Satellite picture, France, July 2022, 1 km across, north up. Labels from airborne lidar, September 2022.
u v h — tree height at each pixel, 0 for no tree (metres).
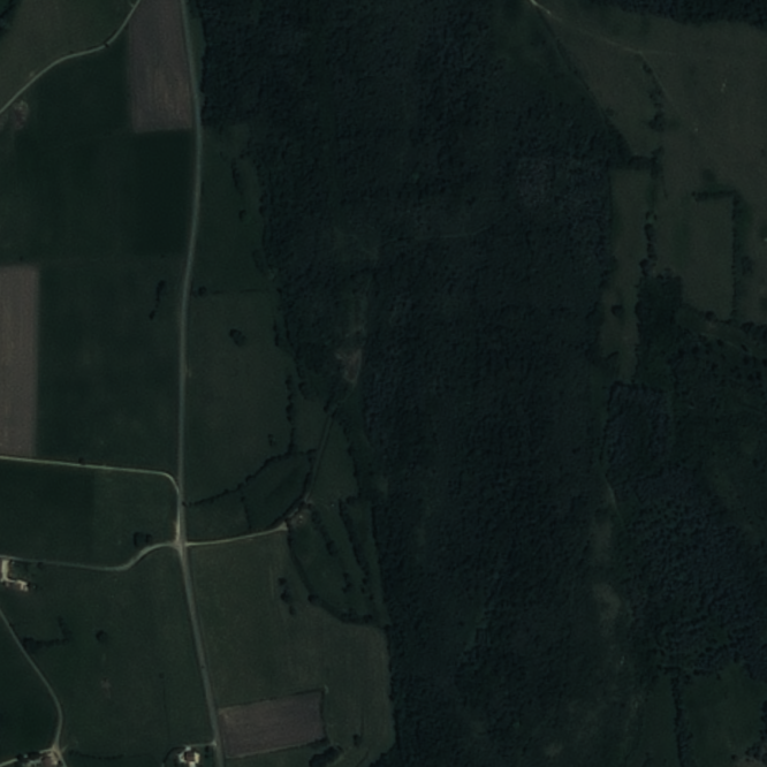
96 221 0
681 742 14
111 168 0
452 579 7
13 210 0
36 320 0
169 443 0
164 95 0
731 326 14
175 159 0
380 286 11
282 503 0
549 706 9
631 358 0
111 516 0
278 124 11
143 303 0
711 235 0
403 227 6
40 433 0
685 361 16
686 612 13
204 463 0
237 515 0
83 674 0
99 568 0
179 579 0
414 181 6
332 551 15
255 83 9
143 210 0
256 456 0
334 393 8
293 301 7
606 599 0
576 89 0
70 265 0
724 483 0
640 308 15
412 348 14
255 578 0
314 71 9
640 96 0
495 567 7
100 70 0
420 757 11
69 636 8
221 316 0
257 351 0
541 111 8
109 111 0
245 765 0
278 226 8
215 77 17
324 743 11
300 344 11
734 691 0
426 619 10
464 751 6
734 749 0
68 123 0
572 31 0
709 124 0
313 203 8
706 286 0
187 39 0
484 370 9
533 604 10
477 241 6
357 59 9
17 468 0
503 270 7
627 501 13
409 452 10
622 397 16
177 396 0
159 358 0
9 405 0
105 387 0
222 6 11
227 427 0
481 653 13
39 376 0
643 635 12
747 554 9
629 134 0
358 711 0
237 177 11
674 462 7
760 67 0
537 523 10
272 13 8
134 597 0
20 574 0
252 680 0
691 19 10
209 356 0
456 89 14
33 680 0
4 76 0
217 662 0
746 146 0
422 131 10
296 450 13
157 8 0
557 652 8
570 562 10
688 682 13
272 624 0
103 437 0
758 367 18
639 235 0
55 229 0
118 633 0
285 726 0
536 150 17
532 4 0
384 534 12
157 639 0
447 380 8
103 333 0
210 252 0
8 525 0
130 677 0
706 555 17
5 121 0
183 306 0
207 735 0
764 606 14
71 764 0
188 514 0
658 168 6
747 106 0
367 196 12
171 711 0
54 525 0
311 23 12
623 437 12
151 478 0
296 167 10
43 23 0
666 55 0
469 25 13
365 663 0
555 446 7
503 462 10
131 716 0
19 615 0
